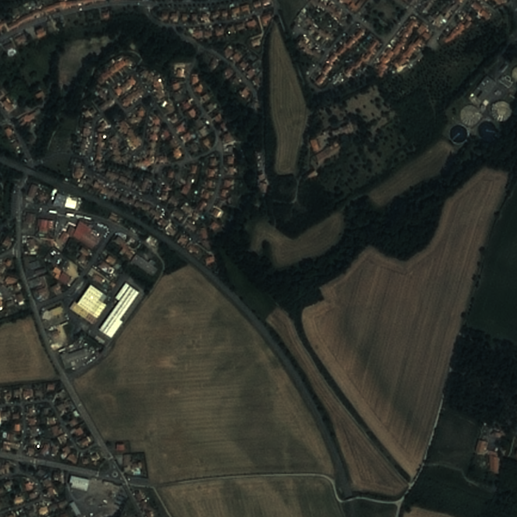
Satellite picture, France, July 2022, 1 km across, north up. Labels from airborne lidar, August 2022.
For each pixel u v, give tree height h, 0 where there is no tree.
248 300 0
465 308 0
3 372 0
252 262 15
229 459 0
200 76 7
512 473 12
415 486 6
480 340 16
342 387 0
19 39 0
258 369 0
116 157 0
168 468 0
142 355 0
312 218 14
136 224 9
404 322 0
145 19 8
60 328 0
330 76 7
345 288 0
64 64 0
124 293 0
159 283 0
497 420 14
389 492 0
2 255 0
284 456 0
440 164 0
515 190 0
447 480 0
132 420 0
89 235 0
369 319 0
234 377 0
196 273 0
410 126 8
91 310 0
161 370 0
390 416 0
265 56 11
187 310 0
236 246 13
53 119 17
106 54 17
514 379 20
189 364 0
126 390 0
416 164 0
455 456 0
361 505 0
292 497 0
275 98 0
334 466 0
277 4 0
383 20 0
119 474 0
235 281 0
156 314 0
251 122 24
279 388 0
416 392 0
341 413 0
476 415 13
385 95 8
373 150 7
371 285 0
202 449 0
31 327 0
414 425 0
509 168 9
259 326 0
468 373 19
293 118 0
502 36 9
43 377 0
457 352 16
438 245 0
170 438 0
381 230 8
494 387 14
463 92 18
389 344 0
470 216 0
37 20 0
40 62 0
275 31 0
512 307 0
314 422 0
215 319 0
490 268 0
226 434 0
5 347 0
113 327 0
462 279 0
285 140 0
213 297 0
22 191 10
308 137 8
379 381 0
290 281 9
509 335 0
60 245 0
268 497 0
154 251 0
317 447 0
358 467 0
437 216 11
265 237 0
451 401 11
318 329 0
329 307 0
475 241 0
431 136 5
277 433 0
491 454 0
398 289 0
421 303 0
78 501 0
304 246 0
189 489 0
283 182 7
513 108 21
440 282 0
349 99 8
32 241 0
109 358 0
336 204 6
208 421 0
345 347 0
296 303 7
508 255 0
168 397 0
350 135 12
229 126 20
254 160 15
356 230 18
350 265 7
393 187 0
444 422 0
